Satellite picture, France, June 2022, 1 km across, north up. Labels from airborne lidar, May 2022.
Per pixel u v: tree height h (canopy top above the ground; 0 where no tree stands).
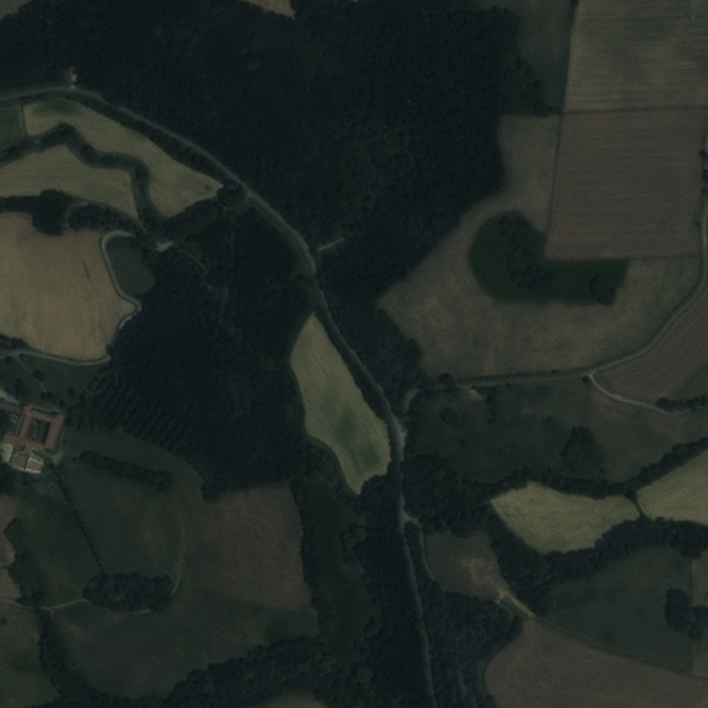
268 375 20
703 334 0
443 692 11
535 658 0
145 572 0
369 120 22
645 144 0
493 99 21
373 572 26
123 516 0
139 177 11
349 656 0
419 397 12
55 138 13
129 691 0
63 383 0
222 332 22
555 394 0
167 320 19
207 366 20
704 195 6
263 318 18
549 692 0
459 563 0
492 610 20
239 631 0
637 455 0
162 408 18
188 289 19
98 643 0
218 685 22
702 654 0
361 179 11
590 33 0
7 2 0
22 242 0
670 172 0
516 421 0
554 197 0
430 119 23
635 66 0
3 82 23
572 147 0
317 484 0
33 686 0
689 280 0
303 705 0
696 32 0
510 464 0
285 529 0
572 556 21
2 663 0
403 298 0
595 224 0
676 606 21
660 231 0
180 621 0
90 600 19
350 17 25
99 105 8
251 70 17
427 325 0
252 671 20
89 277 0
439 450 0
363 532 26
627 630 0
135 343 18
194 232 29
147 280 0
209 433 24
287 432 18
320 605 17
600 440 0
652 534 26
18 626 0
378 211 27
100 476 0
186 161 10
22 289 0
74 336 0
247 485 13
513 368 0
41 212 18
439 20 23
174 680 0
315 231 19
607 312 0
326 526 0
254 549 0
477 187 22
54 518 0
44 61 22
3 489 25
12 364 15
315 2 16
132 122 12
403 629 26
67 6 21
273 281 16
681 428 0
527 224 9
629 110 0
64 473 8
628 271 0
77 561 0
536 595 21
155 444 14
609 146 0
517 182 0
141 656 0
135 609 16
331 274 27
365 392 15
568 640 0
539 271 16
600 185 0
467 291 0
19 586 6
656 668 0
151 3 21
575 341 0
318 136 9
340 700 15
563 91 0
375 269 26
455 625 13
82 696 25
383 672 27
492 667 0
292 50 13
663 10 0
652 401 0
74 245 0
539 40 0
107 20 26
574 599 0
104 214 15
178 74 20
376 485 18
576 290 0
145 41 14
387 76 30
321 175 22
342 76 17
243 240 22
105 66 26
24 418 0
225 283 18
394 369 18
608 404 0
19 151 18
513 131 0
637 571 0
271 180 16
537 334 0
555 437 0
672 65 0
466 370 0
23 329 0
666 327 0
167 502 0
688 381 0
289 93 16
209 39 18
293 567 0
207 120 20
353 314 23
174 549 0
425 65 25
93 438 0
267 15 10
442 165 25
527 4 0
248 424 17
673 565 0
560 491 15
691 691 0
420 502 26
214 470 13
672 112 0
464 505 21
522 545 24
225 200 32
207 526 0
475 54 22
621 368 0
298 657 26
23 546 8
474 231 0
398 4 17
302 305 19
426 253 15
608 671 0
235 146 22
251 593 0
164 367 24
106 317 0
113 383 18
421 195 21
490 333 0
